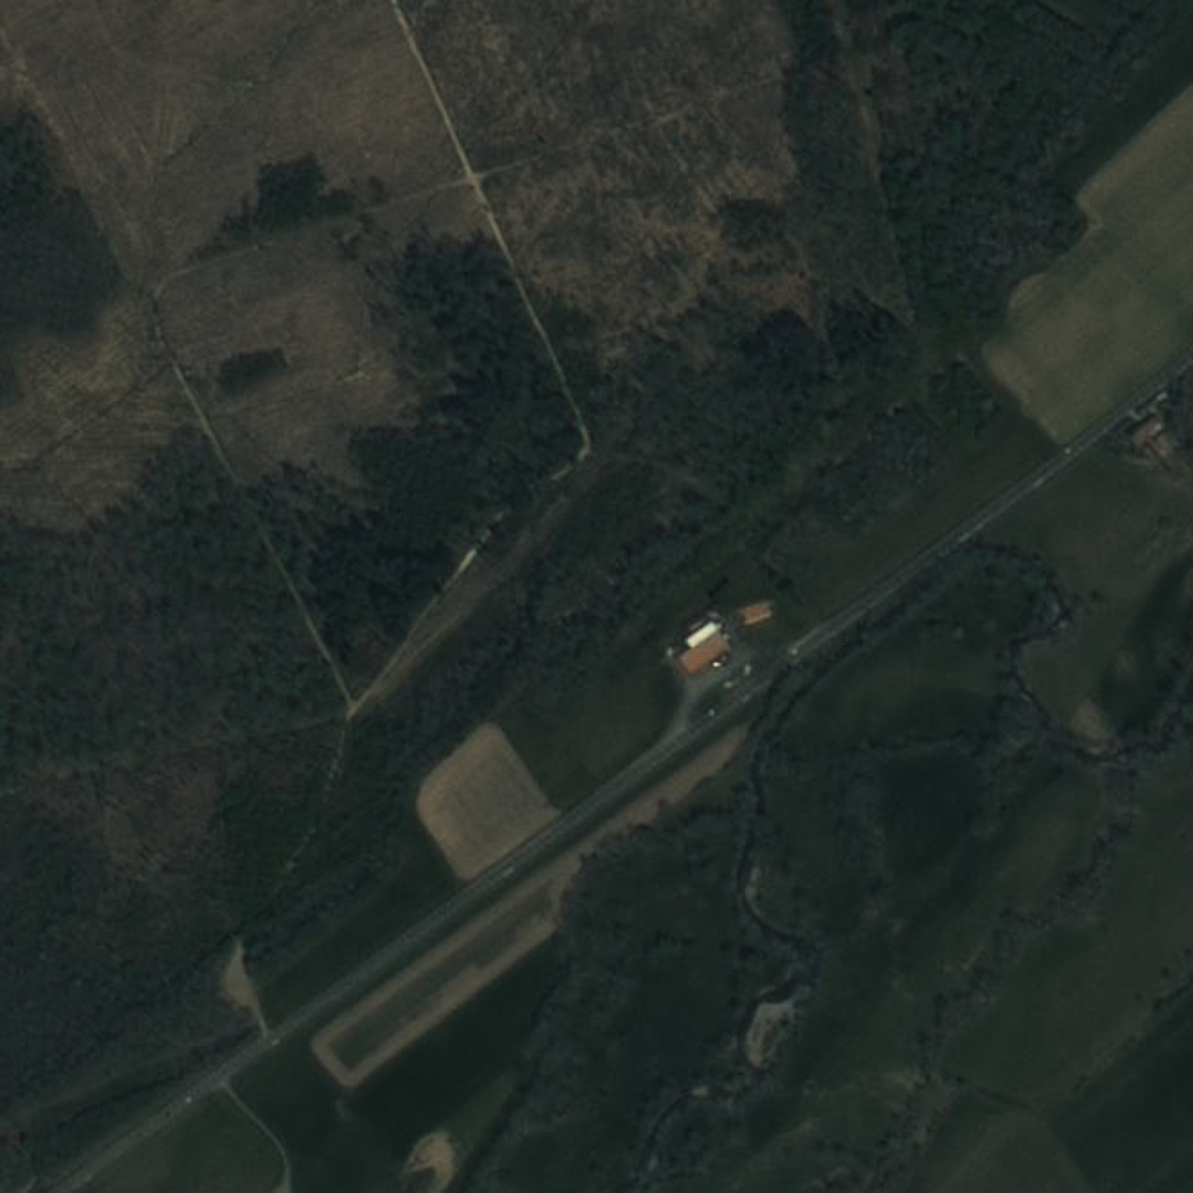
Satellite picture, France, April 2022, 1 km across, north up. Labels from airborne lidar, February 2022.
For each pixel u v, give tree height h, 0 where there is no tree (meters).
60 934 14
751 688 0
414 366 21
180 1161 0
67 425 0
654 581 29
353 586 32
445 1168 0
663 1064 0
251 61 0
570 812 0
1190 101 0
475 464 22
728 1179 0
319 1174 0
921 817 0
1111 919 0
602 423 22
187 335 0
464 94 0
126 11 0
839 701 0
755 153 0
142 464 0
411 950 0
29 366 0
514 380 27
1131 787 21
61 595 25
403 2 0
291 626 25
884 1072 0
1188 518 0
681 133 0
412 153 0
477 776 0
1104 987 0
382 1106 0
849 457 0
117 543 25
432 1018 0
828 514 6
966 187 22
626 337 0
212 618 31
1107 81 21
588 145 0
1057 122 22
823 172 21
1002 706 13
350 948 0
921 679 0
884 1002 0
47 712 23
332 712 21
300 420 0
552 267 0
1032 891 0
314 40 0
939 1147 0
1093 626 0
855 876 0
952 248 26
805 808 0
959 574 24
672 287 24
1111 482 0
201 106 0
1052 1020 0
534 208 0
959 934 0
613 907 0
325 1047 0
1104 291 0
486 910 0
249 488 0
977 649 0
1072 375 0
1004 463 0
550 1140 0
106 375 0
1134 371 0
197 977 23
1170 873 0
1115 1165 0
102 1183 0
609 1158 0
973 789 0
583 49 0
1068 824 0
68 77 0
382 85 0
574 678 18
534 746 0
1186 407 17
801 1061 0
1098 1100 0
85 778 17
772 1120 0
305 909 24
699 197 0
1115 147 0
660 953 15
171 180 0
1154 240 0
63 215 16
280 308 0
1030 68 25
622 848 23
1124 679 0
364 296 0
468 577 0
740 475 29
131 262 0
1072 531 0
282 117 0
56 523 0
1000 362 0
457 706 22
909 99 0
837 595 0
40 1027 17
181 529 24
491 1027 0
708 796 0
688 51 0
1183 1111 0
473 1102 0
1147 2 18
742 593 0
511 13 0
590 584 0
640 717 0
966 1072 0
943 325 21
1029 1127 0
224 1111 0
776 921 0
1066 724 0
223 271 0
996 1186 0
